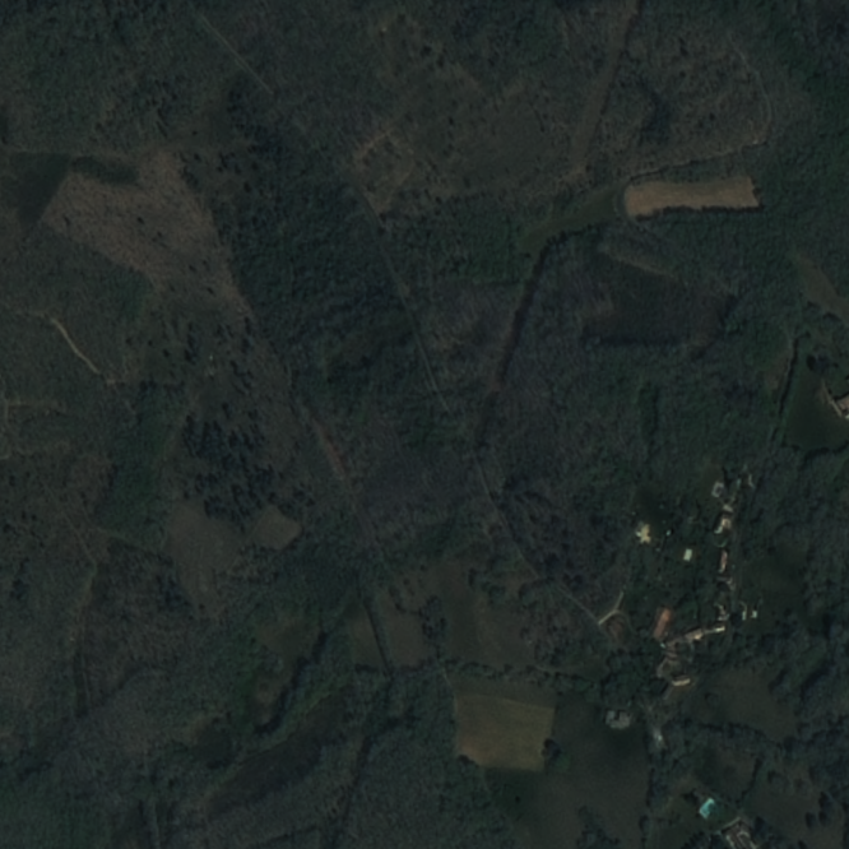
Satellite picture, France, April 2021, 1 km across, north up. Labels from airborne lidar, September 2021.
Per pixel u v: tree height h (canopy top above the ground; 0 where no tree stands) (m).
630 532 21
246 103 9
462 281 16
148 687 15
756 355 22
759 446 19
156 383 14
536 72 11
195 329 13
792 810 0
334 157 18
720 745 24
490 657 0
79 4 18
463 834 20
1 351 11
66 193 0
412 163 0
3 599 16
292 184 9
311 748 0
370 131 19
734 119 9
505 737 0
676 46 10
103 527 20
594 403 23
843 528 19
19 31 17
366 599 22
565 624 14
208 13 18
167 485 16
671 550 12
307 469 14
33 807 17
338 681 15
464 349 8
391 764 20
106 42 13
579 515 10
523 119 0
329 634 21
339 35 16
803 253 15
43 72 17
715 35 15
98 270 14
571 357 19
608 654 17
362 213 17
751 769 0
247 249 10
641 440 16
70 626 20
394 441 16
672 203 0
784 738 0
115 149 12
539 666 9
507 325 17
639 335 5
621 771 0
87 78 17
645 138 10
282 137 13
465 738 0
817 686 21
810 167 26
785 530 20
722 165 10
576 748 0
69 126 18
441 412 13
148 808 17
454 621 0
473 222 19
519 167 0
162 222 0
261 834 16
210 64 15
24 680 11
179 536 0
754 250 21
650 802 14
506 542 15
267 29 19
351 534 16
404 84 16
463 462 16
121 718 14
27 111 14
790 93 14
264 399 0
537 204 15
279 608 23
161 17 13
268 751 17
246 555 10
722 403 18
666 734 14
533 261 10
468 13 12
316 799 18
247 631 22
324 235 10
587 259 9
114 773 18
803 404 0
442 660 8
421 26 13
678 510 10
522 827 0
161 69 16
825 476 19
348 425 13
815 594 15
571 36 12
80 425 15
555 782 0
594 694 14
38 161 6
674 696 0
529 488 24
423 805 22
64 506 13
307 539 15
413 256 17
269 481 16
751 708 0
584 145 0
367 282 14
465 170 0
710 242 20
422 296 12
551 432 10
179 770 22
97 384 13
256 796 0
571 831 0
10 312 10
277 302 9
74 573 18
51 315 9
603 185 10
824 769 19
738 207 0
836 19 11
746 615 0
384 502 12
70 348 12
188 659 18
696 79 8
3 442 8
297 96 21
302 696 22
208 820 0
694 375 24
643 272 6
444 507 14
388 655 15
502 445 9
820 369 19
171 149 0
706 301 9
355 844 12
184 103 10
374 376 19
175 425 16
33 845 15
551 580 23
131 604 18
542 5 21
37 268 8
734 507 10
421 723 17
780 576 0
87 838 16
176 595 14
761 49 17
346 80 16
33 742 15
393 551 18
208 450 21
